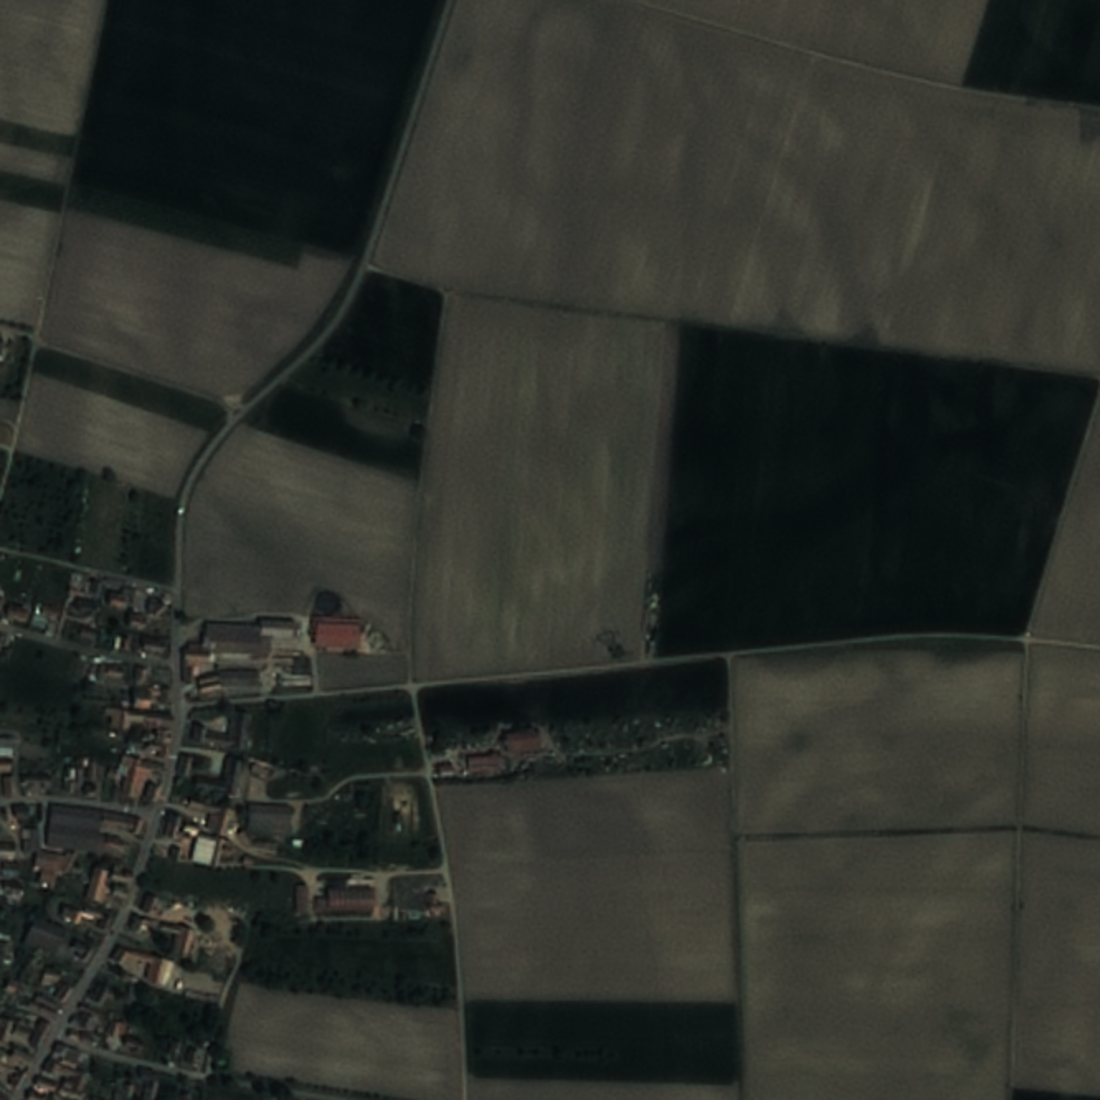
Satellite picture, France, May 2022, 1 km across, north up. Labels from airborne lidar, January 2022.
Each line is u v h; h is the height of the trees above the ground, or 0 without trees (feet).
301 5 0
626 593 0
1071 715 0
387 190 0
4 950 0
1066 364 0
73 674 0
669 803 0
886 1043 0
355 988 22
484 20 0
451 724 0
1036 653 0
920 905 0
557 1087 0
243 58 0
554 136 0
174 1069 0
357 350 0
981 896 0
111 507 0
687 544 0
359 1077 0
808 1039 0
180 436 0
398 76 0
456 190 0
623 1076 0
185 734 0
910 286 0
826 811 0
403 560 0
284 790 0
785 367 0
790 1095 0
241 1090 0
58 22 0
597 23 0
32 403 0
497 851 0
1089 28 0
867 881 0
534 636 0
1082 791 0
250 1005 0
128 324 0
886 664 0
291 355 0
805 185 0
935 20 0
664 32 0
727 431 0
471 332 0
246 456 0
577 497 0
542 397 0
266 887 0
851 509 0
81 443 0
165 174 0
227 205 0
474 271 0
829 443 0
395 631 0
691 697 0
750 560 0
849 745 0
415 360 0
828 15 0
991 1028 0
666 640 0
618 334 0
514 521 0
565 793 0
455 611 0
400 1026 0
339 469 0
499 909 0
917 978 0
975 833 0
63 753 0
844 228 0
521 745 0
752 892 0
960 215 0
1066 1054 0
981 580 0
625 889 0
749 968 0
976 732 0
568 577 0
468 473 0
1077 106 0
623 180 0
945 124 0
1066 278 0
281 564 0
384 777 0
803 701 0
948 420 0
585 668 0
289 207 0
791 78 0
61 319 0
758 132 0
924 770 0
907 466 0
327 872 0
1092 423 0
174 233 0
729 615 0
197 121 0
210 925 32
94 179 0
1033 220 0
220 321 0
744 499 0
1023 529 0
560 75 0
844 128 0
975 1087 0
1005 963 0
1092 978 0
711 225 0
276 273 0
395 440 0
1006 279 0
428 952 0
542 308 0
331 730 0
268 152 0
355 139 0
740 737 0
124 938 0
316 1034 0
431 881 0
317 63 0
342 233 0
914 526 0
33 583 0
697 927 0
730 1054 0
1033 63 0
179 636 0
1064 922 0
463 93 0
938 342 0
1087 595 0
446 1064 0
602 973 0
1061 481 0
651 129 0
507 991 0
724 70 0
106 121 0
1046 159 0
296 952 0
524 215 0
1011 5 0
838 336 0
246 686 0
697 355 0
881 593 0
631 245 0
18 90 0
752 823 0
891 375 0
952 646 0
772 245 0
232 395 0
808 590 0
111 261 0
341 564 0
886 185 0
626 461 0
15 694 0
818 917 0
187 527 0
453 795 0
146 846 0
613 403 0
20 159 0
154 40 0
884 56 0
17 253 0
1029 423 0
